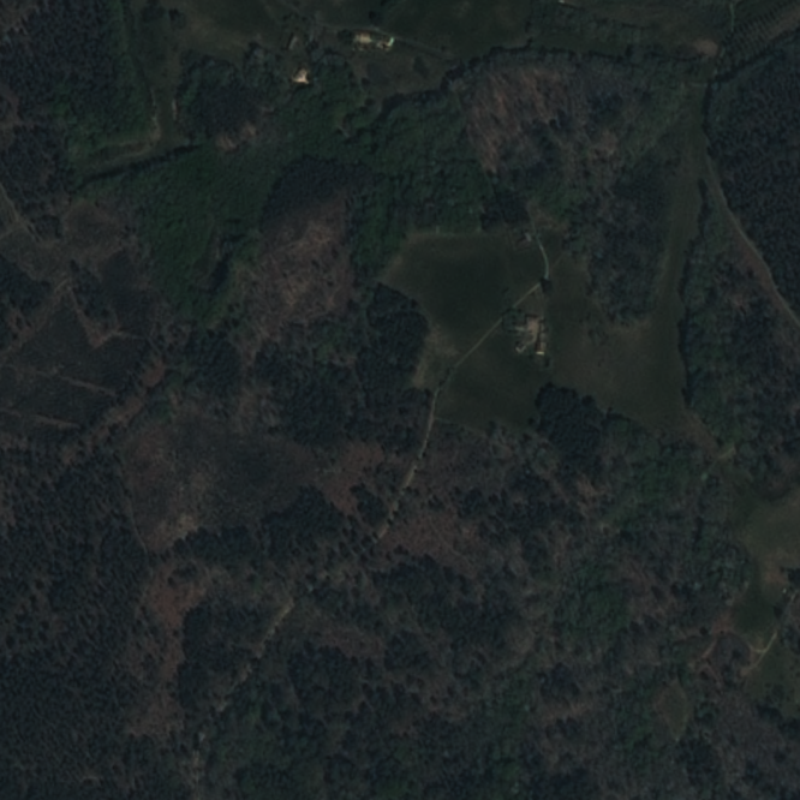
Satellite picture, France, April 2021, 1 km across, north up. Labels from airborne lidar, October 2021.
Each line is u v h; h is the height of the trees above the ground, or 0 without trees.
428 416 8
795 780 13
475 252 0
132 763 19
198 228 16
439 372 0
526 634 24
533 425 12
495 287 0
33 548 19
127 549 22
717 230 23
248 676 7
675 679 10
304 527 19
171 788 18
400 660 25
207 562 24
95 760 19
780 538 0
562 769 13
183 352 20
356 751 28
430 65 0
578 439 20
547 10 6
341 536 16
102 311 25
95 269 14
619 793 19
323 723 5
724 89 22
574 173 10
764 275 0
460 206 19
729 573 17
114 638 18
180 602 10
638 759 17
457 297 0
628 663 21
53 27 20
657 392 0
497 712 15
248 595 13
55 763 19
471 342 0
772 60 18
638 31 12
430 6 0
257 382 20
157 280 13
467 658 26
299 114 15
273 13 0
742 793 17
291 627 8
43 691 20
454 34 0
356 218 14
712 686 17
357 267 10
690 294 17
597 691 20
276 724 27
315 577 12
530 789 10
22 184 19
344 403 9
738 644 11
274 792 22
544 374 0
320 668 28
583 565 17
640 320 20
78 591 23
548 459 17
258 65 16
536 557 31
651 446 25
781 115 23
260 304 15
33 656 7
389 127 25
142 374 19
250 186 22
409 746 9
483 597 10
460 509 12
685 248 0
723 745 15
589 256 15
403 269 0
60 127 17
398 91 0
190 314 15
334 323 17
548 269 0
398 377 28
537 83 16
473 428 0
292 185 20
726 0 18
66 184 22
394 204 17
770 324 19
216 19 0
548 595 11
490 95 21
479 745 16
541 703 7
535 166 17
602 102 15
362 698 22
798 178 18
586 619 17
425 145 18
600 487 24
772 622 0
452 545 6
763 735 9
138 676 6
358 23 0
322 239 0
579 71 14
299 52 7
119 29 21
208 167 18
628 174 14
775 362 12
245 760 21
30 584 18
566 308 0
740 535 0
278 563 19
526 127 22
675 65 12
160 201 19
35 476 25
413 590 33
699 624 9
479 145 21
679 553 24
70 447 16
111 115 19
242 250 23
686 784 10
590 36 16
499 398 0
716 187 0
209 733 20
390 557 6
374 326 17
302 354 6
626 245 18
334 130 18
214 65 15
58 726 18
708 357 26
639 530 13
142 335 8
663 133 25
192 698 19
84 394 6
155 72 0
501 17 0
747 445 18
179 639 11
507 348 0
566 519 18
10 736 21
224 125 19
